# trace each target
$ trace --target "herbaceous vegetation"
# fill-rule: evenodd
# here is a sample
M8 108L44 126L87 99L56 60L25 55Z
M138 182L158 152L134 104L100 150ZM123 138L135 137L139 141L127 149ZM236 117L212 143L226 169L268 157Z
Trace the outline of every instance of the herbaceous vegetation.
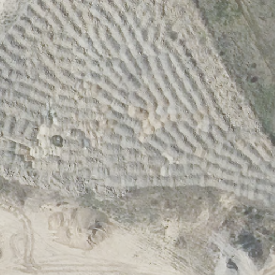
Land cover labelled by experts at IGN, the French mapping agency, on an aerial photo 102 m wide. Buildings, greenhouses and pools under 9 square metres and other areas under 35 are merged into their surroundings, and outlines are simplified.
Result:
M235 206L223 221L230 234L230 244L242 245L258 269L262 269L270 257L270 249L275 254L275 204L266 207L261 200L254 201L238 196L233 202Z
M112 202L97 200L93 191L86 188L85 194L79 194L76 202L84 208L98 209L107 219L114 218L120 223L133 225L134 222L139 222L154 225L160 215L163 215L164 221L170 222L172 218L177 218L178 222L183 215L191 214L191 209L194 209L194 216L200 216L203 200L207 200L211 205L220 200L222 189L191 185L126 187L126 196L119 196Z
M17 180L8 182L0 176L0 193L17 197L19 203L24 205L26 198L40 187L21 185Z
M204 26L211 34L223 66L226 67L232 81L240 88L252 113L260 121L262 132L269 137L275 147L275 0L192 0Z

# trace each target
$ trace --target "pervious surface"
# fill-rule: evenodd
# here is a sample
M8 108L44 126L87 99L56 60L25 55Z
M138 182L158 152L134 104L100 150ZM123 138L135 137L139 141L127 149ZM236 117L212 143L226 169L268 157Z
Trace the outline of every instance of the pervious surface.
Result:
M0 275L275 275L275 254L270 249L270 257L262 269L258 269L242 245L230 244L230 234L223 221L235 206L233 202L238 196L254 201L261 200L266 207L275 204L275 147L269 137L262 132L260 121L252 113L240 88L232 81L226 67L223 66L211 34L204 26L192 0L0 0L0 176L8 182L17 180L21 185L40 187L26 198L24 205L19 203L17 197L0 193ZM191 185L222 189L220 200L211 205L207 200L203 200L200 216L194 216L194 209L191 209L191 214L183 215L178 222L177 218L172 218L170 222L164 221L163 215L160 215L154 225L139 222L134 222L133 225L120 223L114 218L107 219L98 209L84 208L76 202L79 194L85 194L86 188L93 191L97 200L112 202L119 196L126 196L126 187Z

